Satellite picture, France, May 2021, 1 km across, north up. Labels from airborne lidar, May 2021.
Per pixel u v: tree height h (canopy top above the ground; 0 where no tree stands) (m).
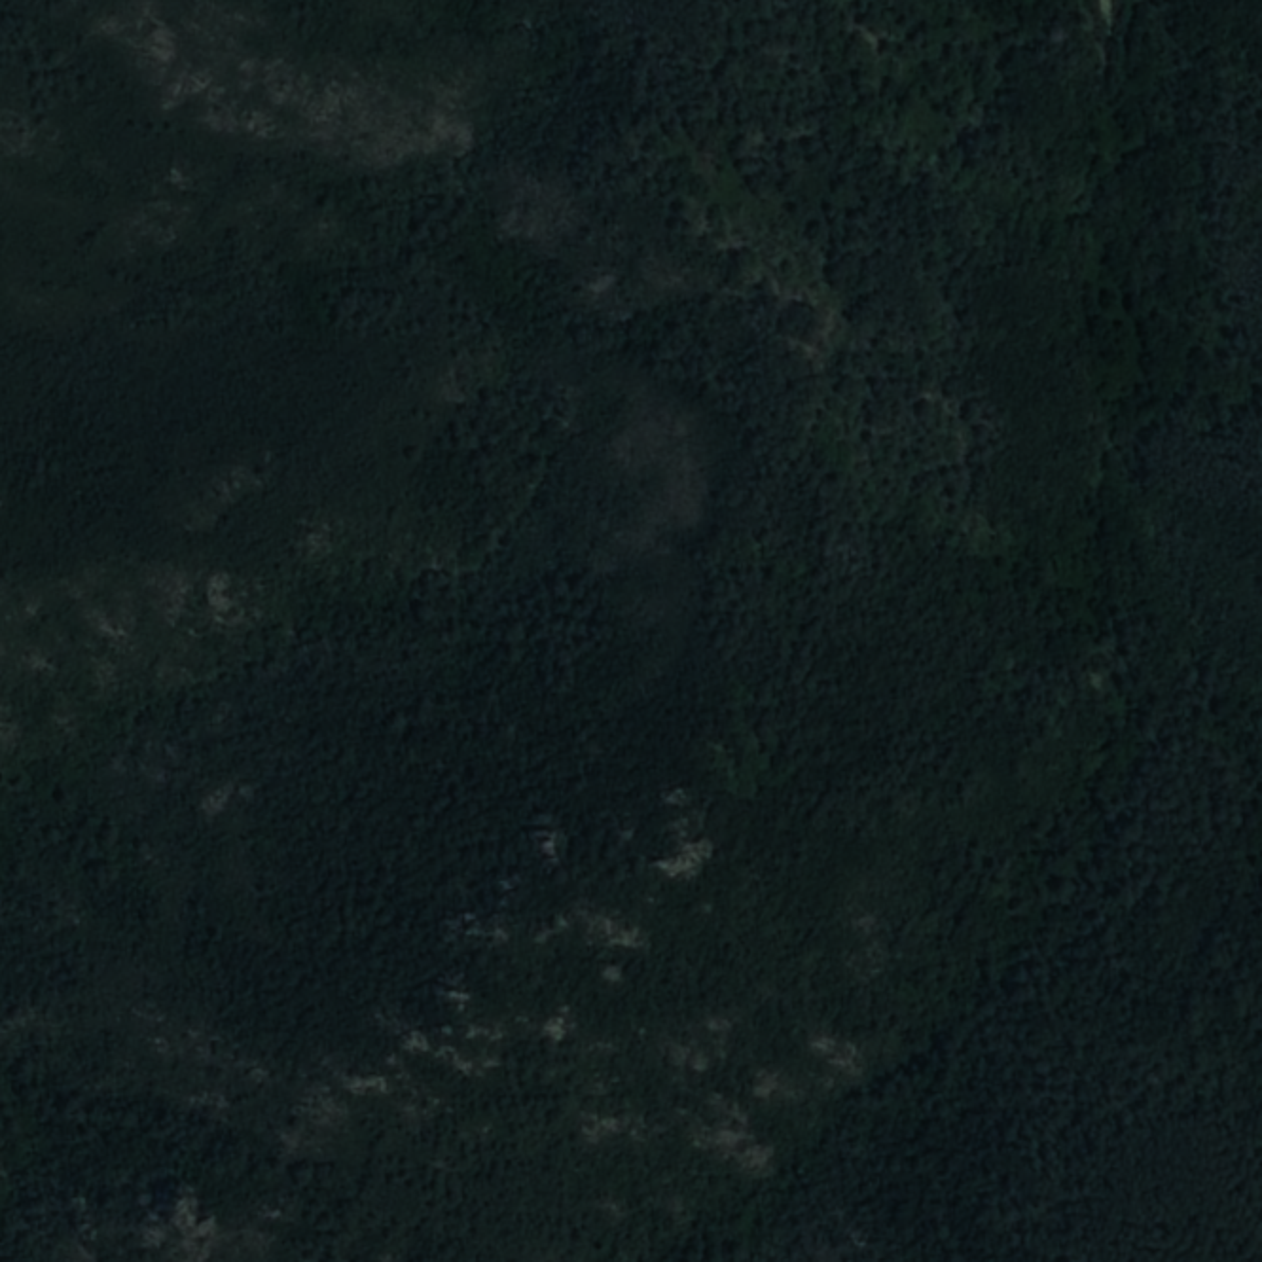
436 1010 12
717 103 19
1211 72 7
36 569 6
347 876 16
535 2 13
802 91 15
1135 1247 28
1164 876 30
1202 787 19
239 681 6
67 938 10
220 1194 9
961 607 24
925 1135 23
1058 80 14
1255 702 25
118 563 7
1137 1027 9
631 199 13
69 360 9
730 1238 14
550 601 7
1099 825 15
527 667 10
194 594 6
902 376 20
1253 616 7
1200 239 16
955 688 17
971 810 10
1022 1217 18
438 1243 16
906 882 11
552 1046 21
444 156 8
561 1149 15
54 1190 6
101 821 10
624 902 7
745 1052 7
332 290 15
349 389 8
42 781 22
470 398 6
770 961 14
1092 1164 21
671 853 8
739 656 17
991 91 13
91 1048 8
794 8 15
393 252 14
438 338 10
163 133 9
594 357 7
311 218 7
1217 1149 29
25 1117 24
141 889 11
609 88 16
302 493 8
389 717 11
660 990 12
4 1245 11
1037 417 14
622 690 8
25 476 14
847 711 16
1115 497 20
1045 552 13
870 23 26
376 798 13
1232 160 25
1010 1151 16
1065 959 10
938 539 14
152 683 9
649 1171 8
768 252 13
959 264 21
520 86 9
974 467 17
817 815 26
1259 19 22
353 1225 22
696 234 16
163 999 6
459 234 20
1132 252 24
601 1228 8
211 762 9
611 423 10
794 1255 7
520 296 21
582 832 12
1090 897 23
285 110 6
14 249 7
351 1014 10
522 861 13
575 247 8
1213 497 25
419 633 12
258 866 9
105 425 10
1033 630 19
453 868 9
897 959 10
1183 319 7
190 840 12
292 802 8
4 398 9
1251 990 30
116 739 10
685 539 7
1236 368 12
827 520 23
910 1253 12
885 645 19
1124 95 20
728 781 19
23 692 11
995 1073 9
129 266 7
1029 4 20
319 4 12
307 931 11
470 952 9
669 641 6
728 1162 7
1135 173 24
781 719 23
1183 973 12
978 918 15
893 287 24
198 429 11
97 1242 6
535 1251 11
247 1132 8
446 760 18
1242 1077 12
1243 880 23
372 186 24
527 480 17
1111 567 13
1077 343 15
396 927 19
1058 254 19
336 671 10
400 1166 8
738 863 15
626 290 7
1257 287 25
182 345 5
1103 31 7
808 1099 8
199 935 12
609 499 8
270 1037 8
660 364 23
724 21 22
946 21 6
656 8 20
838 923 11
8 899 11
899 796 16
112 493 11
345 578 19
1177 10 11
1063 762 10
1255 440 31
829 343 14
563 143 10
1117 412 15
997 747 9
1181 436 29
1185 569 11
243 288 18
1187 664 22
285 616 7
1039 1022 15
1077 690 23
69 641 6
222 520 10
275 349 7
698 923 10
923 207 18
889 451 21
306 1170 20
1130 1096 6
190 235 7
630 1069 11
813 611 20
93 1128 17
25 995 12
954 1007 14
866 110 16
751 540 11
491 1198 14
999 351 19
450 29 11
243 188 9
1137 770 18
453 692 18
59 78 18
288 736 8
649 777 14
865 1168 15
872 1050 7
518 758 16
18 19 18
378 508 8
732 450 9
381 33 8
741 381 20
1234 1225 28
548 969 12
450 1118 13
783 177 6
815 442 12
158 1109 14
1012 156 20
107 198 9
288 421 10
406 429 7
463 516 17
